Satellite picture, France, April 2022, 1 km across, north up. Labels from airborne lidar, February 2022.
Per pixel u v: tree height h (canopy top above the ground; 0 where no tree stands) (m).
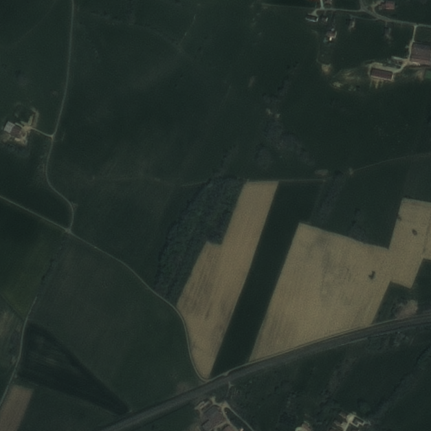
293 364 0
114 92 0
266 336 0
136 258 0
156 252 0
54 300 0
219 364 0
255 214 0
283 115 0
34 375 0
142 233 0
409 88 0
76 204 0
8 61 0
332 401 8
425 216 0
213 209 20
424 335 0
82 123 0
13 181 0
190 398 0
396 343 6
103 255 0
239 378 0
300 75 0
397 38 0
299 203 0
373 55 0
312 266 0
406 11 0
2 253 0
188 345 0
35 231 0
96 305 0
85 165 0
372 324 0
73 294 0
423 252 0
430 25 0
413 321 0
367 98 0
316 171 0
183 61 0
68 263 0
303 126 0
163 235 0
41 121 0
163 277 25
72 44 0
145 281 0
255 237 0
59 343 0
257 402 0
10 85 0
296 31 0
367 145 0
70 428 0
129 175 0
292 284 0
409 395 0
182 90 0
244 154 0
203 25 0
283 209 0
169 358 0
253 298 0
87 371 0
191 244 21
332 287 0
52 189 0
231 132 0
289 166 0
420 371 6
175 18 0
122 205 0
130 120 0
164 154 0
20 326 0
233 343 0
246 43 0
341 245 0
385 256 0
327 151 0
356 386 0
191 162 0
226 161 13
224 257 0
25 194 0
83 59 0
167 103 0
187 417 0
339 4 0
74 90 0
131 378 0
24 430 0
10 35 0
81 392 0
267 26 0
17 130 0
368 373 0
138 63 0
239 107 0
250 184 0
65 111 0
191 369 0
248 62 0
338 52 0
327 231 0
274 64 0
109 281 0
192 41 0
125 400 0
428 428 0
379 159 0
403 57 0
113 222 0
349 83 0
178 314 0
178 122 0
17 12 0
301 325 0
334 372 0
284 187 0
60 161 0
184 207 0
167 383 0
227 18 0
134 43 0
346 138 0
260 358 0
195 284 0
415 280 0
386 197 0
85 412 0
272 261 0
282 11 0
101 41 0
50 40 0
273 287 0
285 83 13
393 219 0
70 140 0
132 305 0
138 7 0
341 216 0
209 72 0
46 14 0
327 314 0
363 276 0
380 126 0
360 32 0
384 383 0
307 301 0
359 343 0
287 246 0
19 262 0
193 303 0
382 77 7
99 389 0
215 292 0
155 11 0
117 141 0
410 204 0
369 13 0
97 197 0
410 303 0
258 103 0
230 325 0
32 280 0
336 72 0
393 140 0
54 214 0
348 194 0
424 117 0
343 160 0
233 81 0
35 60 0
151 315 0
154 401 0
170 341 0
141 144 0
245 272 0
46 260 0
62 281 0
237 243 0
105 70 0
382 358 0
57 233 0
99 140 0
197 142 0
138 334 0
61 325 0
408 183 0
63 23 0
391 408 7
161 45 0
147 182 0
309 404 0
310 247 0
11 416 0
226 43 0
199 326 0
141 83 0
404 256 0
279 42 0
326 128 0
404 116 0
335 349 0
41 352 0
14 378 0
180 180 0
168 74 0
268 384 0
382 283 0
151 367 0
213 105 0
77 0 0
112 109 0
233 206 22
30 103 0
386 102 0
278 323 0
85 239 0
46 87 0
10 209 0
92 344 0
